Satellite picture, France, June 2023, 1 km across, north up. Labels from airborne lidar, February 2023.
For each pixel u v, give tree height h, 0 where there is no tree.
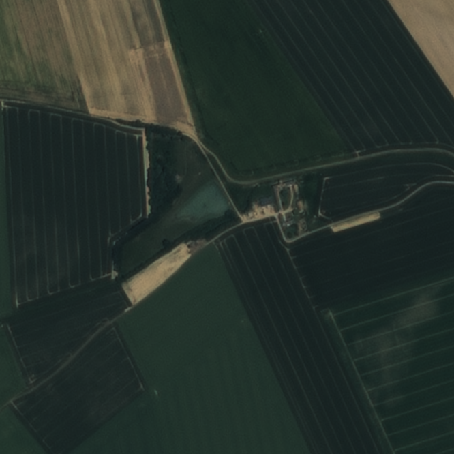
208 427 0
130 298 0
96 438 0
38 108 0
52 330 0
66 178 0
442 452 0
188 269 0
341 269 0
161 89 0
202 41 0
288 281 0
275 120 0
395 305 0
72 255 0
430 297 0
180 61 0
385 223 0
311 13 0
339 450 0
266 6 0
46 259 0
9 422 0
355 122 0
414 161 0
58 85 0
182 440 0
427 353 0
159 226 0
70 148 0
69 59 0
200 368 0
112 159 0
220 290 0
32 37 0
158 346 0
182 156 0
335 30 0
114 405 0
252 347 0
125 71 0
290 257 0
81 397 0
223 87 0
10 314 0
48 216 0
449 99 0
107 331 0
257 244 0
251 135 0
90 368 0
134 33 0
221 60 0
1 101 0
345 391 0
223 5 0
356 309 0
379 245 0
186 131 0
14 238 0
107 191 0
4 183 0
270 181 0
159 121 0
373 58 0
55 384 0
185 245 0
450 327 0
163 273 0
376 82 0
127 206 0
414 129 0
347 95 0
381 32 0
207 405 0
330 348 0
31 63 0
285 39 0
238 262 0
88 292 0
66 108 0
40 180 0
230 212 13
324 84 0
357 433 0
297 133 0
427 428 0
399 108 0
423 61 0
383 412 0
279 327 0
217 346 0
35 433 0
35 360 0
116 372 0
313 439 0
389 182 0
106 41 0
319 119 0
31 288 0
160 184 12
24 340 0
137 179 0
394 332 0
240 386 0
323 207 0
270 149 0
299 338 0
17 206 0
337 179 0
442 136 0
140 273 0
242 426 0
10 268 0
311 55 0
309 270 0
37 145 0
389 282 0
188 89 0
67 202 0
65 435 0
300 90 0
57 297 0
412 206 0
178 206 0
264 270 0
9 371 0
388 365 0
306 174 0
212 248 0
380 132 0
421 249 0
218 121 0
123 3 0
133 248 0
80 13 0
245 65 0
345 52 0
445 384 0
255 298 0
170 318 0
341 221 0
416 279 0
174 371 0
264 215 0
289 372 0
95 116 0
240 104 0
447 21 0
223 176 0
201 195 0
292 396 0
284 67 0
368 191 0
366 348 0
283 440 0
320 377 0
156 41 0
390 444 0
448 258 0
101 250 0
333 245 0
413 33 0
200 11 0
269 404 0
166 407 0
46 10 0
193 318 0
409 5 0
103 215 0
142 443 0
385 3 0
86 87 0
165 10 0
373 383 0
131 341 0
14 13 0
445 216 0
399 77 0
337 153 0
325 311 0
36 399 0
